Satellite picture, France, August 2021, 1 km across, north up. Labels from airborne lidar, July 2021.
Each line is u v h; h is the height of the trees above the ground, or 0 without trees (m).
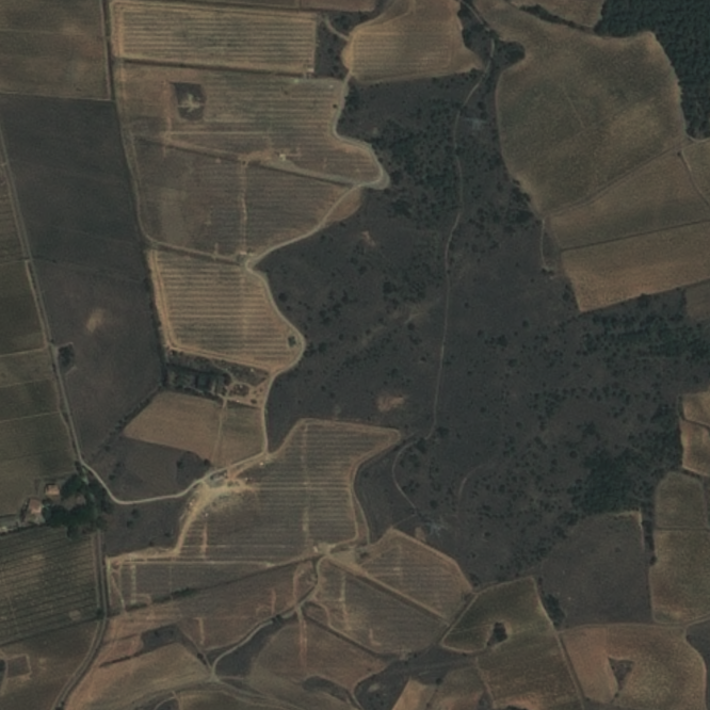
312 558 0
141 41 0
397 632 0
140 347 0
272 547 0
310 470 0
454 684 0
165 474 0
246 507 0
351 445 0
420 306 0
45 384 0
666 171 0
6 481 0
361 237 0
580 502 10
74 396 0
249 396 0
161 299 0
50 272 0
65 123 0
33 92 0
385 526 0
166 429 0
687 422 0
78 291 0
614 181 0
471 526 0
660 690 0
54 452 0
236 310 0
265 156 0
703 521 0
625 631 0
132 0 0
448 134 6
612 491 11
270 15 0
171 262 0
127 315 0
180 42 0
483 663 0
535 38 0
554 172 0
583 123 0
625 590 0
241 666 0
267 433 0
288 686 0
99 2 0
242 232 0
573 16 0
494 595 0
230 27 0
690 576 0
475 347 0
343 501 0
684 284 0
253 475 0
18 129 0
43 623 0
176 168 0
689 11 16
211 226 0
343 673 0
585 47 0
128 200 0
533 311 0
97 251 0
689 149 0
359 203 0
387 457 0
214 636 0
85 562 0
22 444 0
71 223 0
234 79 0
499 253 0
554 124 0
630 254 0
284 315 0
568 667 0
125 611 0
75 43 0
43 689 0
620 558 0
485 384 0
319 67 0
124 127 0
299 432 0
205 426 0
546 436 0
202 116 0
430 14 0
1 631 0
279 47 0
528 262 0
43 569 0
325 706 0
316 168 0
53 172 0
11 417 0
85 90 0
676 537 0
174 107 0
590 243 0
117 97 0
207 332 0
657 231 0
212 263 0
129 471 0
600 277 0
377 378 0
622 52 0
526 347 8
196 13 0
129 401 0
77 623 0
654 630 0
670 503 0
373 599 0
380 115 0
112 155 0
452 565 0
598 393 10
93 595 0
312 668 0
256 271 0
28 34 0
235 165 0
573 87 0
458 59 0
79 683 0
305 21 0
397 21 0
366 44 0
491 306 0
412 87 0
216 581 0
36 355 0
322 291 0
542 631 0
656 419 11
